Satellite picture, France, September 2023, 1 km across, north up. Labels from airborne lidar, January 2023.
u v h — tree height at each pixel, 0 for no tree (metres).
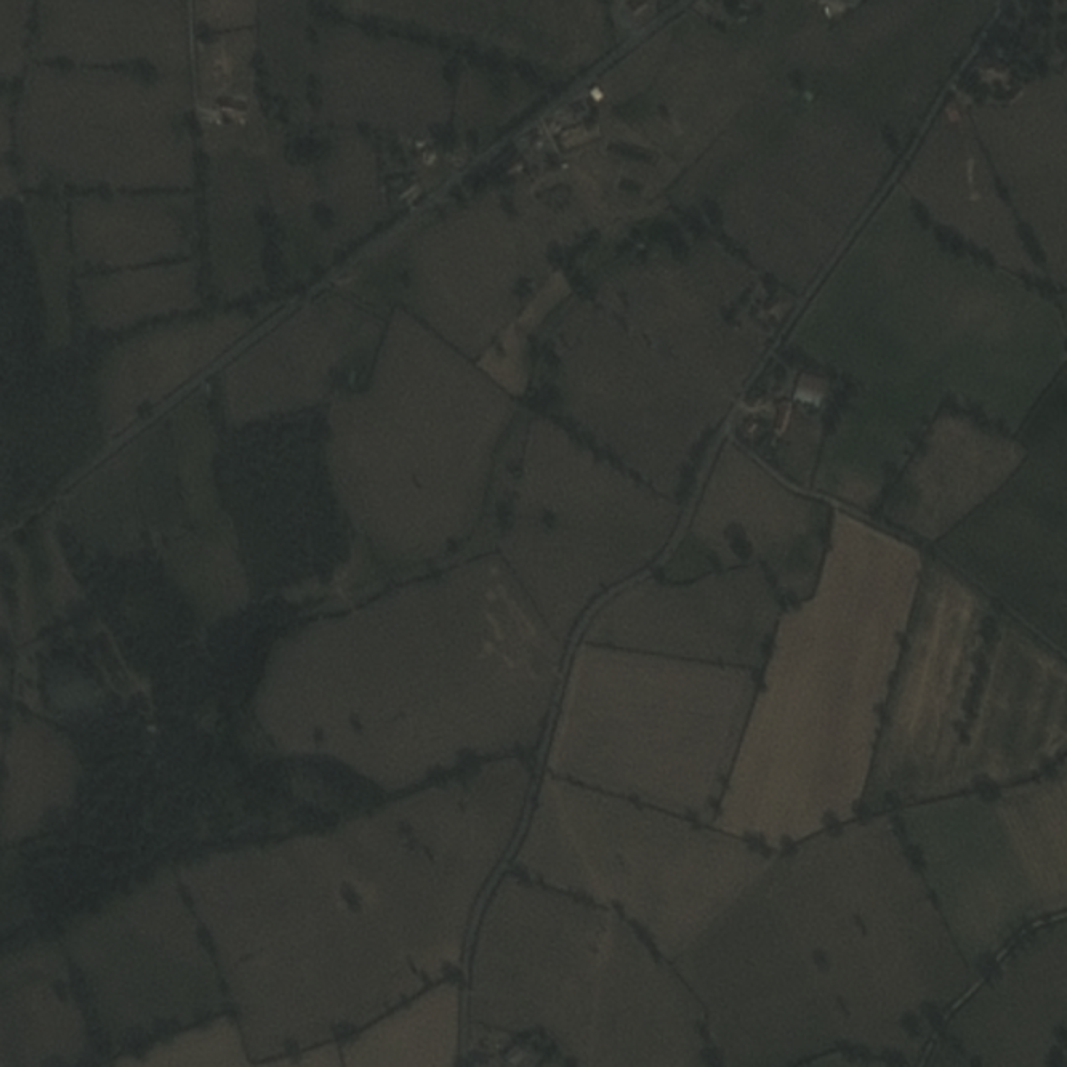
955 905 0
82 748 17
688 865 0
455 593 0
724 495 0
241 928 0
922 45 0
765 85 0
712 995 0
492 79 0
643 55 0
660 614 0
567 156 0
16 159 13
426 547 0
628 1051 0
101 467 0
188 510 0
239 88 0
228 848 18
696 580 0
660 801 0
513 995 0
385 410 0
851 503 0
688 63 0
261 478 8
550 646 0
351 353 0
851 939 0
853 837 0
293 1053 14
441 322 0
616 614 0
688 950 0
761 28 0
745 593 0
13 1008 0
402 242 0
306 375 0
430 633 0
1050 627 0
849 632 0
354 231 0
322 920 0
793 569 0
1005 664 0
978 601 0
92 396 14
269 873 0
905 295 0
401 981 0
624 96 0
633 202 0
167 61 0
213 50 0
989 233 0
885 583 0
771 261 0
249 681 9
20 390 20
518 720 0
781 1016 0
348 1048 0
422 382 0
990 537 0
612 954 0
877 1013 0
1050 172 0
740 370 0
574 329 0
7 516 15
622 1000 0
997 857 0
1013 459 0
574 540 0
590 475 0
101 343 17
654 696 0
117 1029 0
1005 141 0
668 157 0
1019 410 0
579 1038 0
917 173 0
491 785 0
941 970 0
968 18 0
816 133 0
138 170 0
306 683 0
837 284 0
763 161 0
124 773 10
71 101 0
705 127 0
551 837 0
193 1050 0
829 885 0
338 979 0
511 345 0
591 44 0
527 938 0
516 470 11
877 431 0
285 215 0
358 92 0
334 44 0
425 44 8
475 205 0
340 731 0
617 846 0
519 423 0
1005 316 0
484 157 0
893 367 0
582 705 0
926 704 0
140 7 0
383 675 0
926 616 0
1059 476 0
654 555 0
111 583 6
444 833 0
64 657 8
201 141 0
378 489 0
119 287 0
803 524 0
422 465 0
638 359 0
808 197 0
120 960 0
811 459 0
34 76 0
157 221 0
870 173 0
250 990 0
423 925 0
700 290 0
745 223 0
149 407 9
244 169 0
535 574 0
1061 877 0
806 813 0
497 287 0
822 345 0
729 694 0
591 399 0
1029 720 0
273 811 0
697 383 0
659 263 0
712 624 0
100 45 0
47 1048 0
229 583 0
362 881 0
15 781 0
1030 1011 0
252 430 6
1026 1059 0
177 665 6
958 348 0
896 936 0
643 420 0
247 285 0
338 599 0
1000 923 0
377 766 0
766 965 0
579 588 0
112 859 19
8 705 18
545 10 0
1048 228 0
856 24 0
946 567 0
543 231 0
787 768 0
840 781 0
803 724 0
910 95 15
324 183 0
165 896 0
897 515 0
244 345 0
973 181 0
